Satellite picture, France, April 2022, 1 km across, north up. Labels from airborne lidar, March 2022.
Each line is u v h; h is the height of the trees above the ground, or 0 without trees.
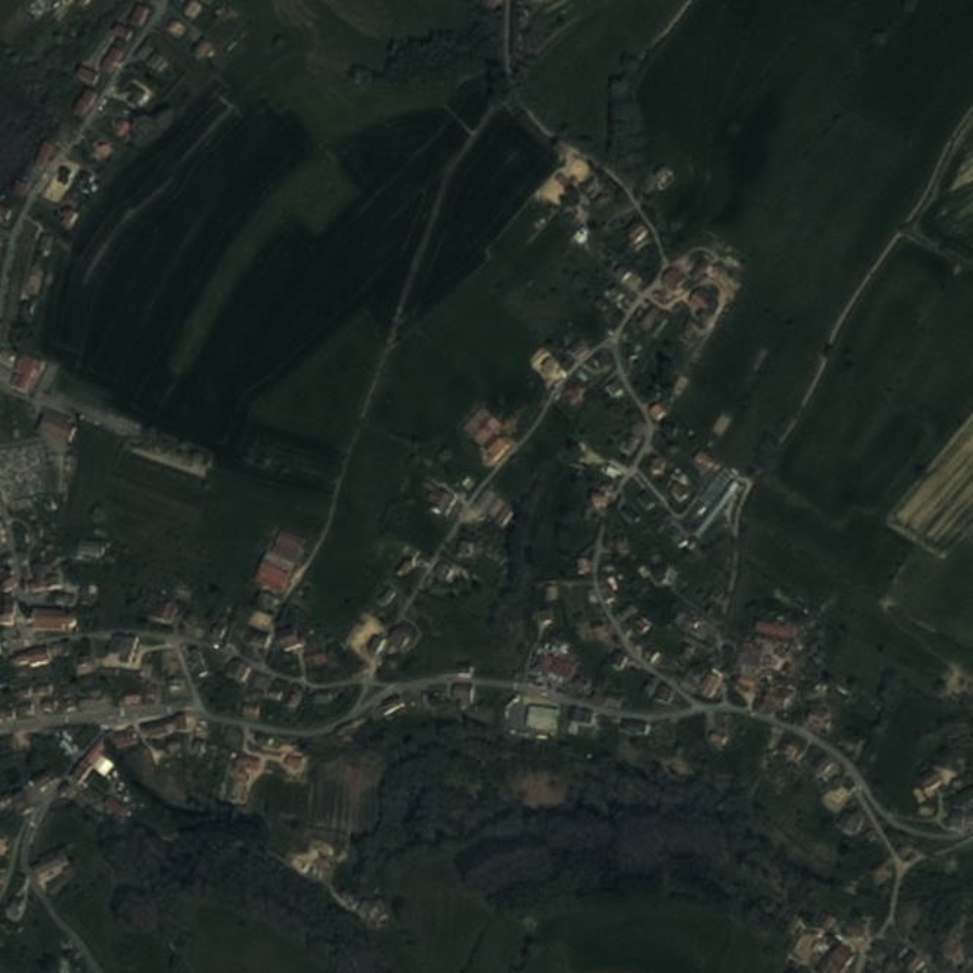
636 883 27
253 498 0
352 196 0
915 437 0
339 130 0
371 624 0
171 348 0
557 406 0
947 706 12
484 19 8
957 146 0
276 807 0
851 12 0
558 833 31
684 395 0
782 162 0
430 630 8
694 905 9
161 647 0
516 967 0
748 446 0
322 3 0
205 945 0
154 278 0
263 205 0
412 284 0
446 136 0
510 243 0
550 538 0
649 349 0
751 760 0
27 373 0
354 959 32
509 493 0
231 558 0
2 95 0
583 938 0
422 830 15
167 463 0
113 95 0
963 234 0
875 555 0
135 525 0
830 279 0
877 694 0
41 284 0
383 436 0
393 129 0
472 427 0
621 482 0
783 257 0
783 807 0
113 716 0
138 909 27
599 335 0
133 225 0
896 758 0
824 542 0
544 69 0
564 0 0
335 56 0
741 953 0
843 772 0
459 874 0
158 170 0
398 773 15
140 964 0
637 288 0
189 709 0
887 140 0
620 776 23
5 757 0
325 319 0
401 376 0
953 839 0
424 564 0
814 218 0
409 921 27
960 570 0
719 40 0
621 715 0
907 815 0
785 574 0
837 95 0
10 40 0
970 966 0
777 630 0
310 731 0
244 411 0
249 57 0
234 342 0
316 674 0
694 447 7
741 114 0
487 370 0
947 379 0
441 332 0
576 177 0
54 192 0
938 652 0
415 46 11
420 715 0
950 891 6
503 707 0
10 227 0
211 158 0
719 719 0
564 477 0
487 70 6
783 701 0
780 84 0
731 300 0
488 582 0
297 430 0
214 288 0
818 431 0
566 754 13
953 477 0
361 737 6
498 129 0
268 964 0
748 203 0
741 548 14
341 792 0
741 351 0
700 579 0
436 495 0
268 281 0
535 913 24
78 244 0
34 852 0
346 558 0
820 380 0
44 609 0
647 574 0
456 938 0
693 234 0
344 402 0
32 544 0
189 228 0
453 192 0
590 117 0
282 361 0
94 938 0
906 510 0
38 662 0
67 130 0
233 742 0
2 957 0
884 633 0
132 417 0
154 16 0
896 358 0
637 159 22
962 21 0
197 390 0
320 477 0
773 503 0
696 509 0
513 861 35
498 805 9
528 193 0
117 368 0
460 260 0
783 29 0
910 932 0
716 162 0
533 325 0
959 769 0
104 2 0
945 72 0
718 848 28
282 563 0
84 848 0
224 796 0
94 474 0
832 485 0
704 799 13
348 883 0
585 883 26
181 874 20
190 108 0
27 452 0
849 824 0
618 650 0
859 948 0
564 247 0
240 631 0
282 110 0
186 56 0
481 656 0
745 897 7
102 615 16
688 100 0
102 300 0
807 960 0
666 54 0
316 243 0
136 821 0
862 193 0
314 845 0
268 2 0
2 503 0
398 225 0
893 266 0
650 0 0
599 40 0
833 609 0
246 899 23
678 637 0
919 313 0
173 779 0
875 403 0
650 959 0
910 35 0
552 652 0
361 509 0
